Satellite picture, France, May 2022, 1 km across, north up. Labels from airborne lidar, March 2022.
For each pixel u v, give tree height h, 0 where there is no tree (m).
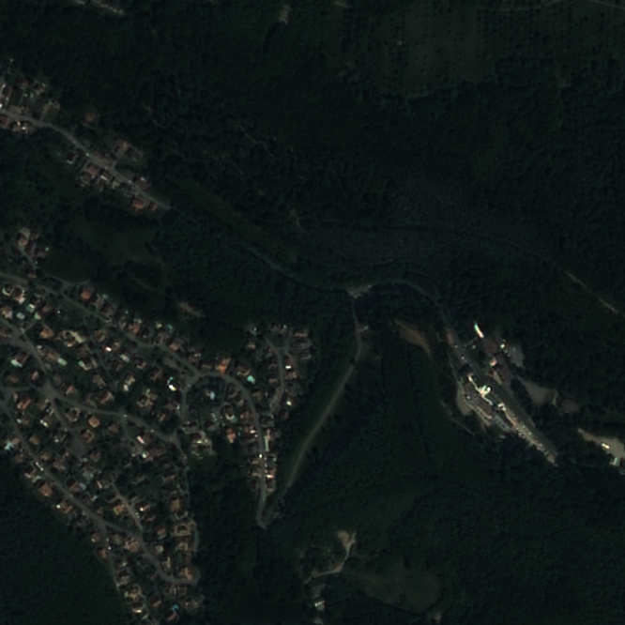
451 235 24
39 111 0
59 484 0
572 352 25
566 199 22
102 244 0
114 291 0
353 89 16
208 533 15
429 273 28
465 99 23
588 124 27
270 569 28
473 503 22
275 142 25
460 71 0
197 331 0
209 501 10
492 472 25
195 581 0
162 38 25
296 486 0
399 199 25
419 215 25
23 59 22
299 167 27
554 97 21
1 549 30
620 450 0
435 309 29
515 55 7
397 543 20
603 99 23
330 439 0
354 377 0
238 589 14
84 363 7
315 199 29
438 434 0
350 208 29
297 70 27
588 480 36
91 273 0
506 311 27
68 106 21
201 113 27
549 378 26
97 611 27
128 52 27
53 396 0
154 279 0
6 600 26
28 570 23
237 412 6
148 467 12
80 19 25
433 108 26
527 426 0
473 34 0
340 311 21
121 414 0
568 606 29
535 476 34
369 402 0
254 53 26
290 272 21
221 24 24
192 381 0
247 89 26
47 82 0
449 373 7
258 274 28
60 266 0
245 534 14
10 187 17
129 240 0
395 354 0
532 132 29
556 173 16
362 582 0
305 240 22
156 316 0
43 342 12
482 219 25
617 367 24
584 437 0
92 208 21
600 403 21
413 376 0
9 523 29
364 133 30
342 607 20
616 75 13
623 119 28
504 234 26
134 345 10
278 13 9
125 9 11
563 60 0
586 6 0
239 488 24
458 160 27
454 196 26
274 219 28
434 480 22
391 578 0
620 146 25
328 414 0
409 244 26
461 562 25
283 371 0
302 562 8
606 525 23
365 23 11
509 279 28
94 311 8
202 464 0
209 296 19
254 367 5
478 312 29
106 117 24
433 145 27
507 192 28
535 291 32
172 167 31
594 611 21
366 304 12
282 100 27
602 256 21
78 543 19
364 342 0
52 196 19
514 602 28
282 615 0
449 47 0
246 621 0
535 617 26
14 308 8
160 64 27
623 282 22
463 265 31
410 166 26
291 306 31
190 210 18
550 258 24
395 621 23
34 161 15
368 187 22
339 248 26
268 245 0
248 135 7
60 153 0
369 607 25
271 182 29
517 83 13
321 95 28
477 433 6
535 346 13
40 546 29
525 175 30
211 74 25
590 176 21
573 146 24
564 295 0
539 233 26
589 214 25
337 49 0
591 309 0
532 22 7
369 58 8
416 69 0
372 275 23
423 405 0
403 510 0
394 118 25
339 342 24
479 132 28
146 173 11
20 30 24
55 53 22
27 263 8
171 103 28
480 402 0
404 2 19
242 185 23
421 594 0
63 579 27
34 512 20
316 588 0
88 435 0
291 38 29
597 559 28
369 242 25
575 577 26
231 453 17
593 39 0
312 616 15
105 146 6
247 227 0
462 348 0
